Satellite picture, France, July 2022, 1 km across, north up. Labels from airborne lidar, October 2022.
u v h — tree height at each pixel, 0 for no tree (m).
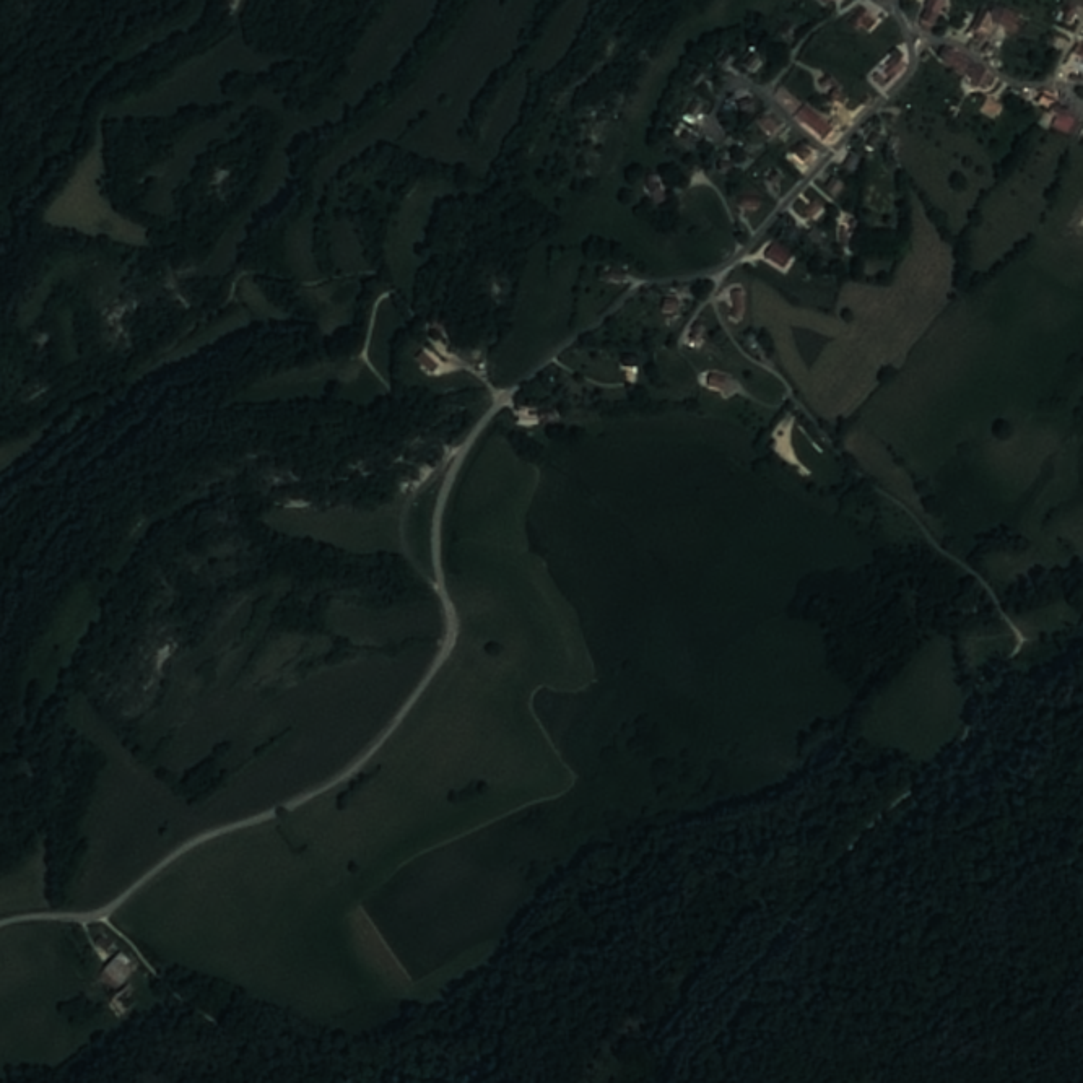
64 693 12
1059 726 24
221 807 0
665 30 12
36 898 0
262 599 6
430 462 9
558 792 0
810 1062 9
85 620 0
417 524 0
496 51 0
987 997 16
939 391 0
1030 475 0
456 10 11
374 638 0
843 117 0
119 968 0
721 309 0
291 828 0
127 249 6
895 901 16
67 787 13
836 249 13
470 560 0
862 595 11
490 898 0
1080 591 26
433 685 0
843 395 0
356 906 0
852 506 12
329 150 12
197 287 7
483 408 0
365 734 0
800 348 0
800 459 0
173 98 0
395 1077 19
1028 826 22
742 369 0
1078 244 0
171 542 9
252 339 20
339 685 0
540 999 16
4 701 18
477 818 0
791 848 12
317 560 10
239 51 0
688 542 0
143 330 11
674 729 0
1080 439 0
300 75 17
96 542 10
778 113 0
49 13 14
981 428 0
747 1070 12
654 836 19
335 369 0
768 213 0
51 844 15
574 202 0
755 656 0
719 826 24
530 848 0
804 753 8
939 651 0
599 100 7
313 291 0
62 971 0
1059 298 0
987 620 8
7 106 11
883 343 0
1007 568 0
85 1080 28
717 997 22
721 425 0
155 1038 19
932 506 18
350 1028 0
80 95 11
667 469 0
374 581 7
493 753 0
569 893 18
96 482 23
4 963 0
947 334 0
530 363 0
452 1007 14
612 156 0
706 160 15
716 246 0
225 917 0
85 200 0
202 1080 13
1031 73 7
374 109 7
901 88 0
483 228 13
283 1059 30
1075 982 16
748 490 0
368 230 13
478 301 8
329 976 0
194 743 0
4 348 15
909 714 0
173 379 24
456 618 0
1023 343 0
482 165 0
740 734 0
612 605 0
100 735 0
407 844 0
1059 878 15
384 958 0
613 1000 14
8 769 13
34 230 21
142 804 0
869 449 0
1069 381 0
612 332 7
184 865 0
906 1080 12
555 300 0
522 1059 13
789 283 0
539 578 0
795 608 8
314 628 8
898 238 12
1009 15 0
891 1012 17
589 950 25
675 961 10
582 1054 15
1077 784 12
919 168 0
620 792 0
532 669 0
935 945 21
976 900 15
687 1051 28
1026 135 8
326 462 12
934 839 8
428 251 21
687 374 0
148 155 13
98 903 0
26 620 16
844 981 13
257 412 13
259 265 16
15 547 7
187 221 11
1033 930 14
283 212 25
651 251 0
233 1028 23
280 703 0
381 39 0
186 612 10
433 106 0
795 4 6
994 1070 13
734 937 27
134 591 8
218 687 0
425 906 0
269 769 0
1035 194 0
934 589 15
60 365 10
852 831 13
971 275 9
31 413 7
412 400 13
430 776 0
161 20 19
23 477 21
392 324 0
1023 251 12
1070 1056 12
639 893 17
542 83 8
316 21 13
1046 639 14
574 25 0
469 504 0
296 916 0
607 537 0
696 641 0
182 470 11
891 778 19
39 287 21
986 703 26
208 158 10
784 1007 21
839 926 15
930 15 0
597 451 0
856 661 15
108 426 17
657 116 13
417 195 0
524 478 0
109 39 19
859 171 8
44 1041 0
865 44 0
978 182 0
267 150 16
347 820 0
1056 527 0
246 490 10
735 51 7
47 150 14
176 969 8
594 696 0
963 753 23
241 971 0
